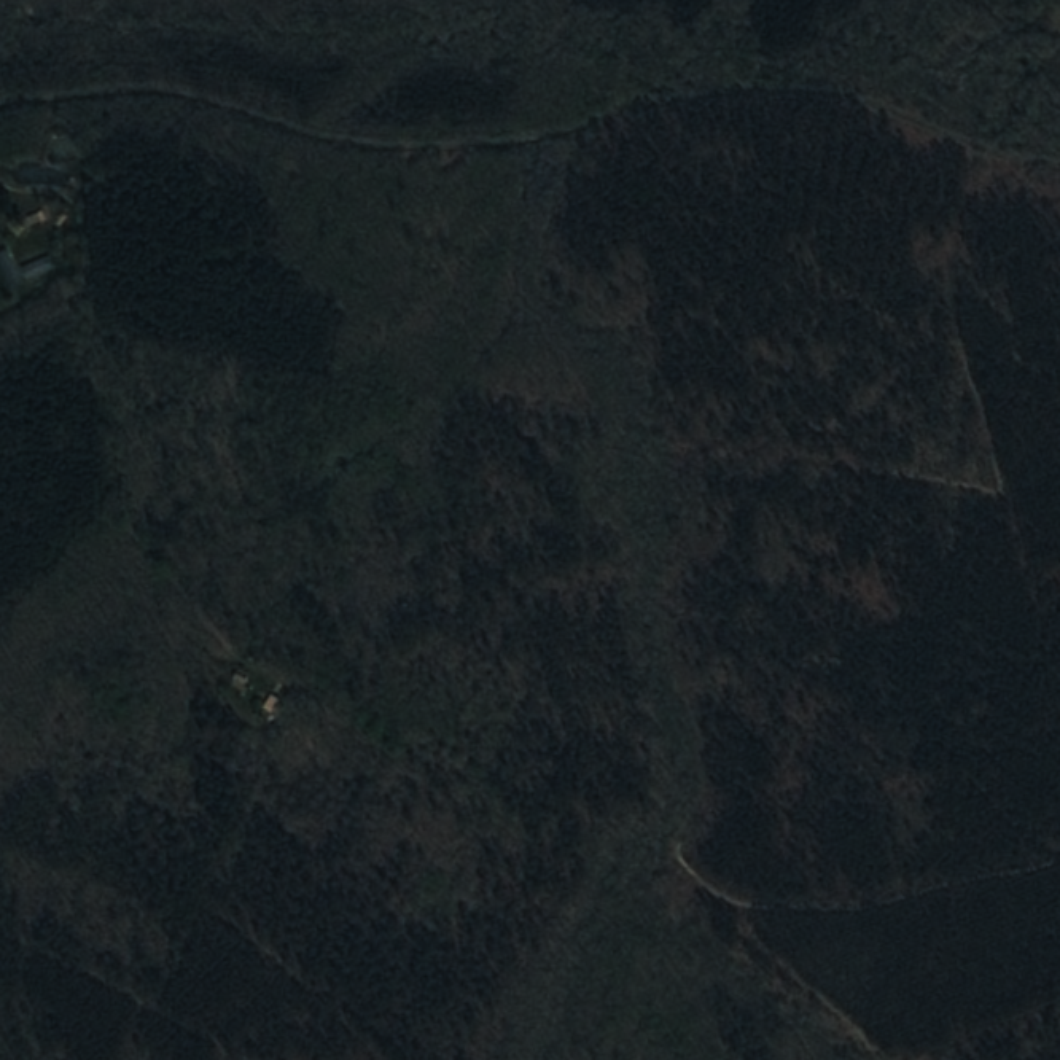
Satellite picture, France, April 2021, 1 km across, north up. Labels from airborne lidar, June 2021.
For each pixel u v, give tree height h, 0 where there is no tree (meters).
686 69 16
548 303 14
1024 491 12
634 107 9
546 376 13
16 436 21
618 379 17
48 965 17
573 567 24
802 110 16
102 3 20
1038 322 16
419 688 7
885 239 16
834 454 15
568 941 20
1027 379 15
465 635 22
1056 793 14
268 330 21
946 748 14
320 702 23
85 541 16
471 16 21
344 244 17
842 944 14
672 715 17
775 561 7
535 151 5
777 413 9
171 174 16
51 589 15
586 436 21
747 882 12
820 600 16
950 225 14
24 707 16
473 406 26
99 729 8
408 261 14
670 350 16
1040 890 16
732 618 11
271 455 20
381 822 8
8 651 15
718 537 14
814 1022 16
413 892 10
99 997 18
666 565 14
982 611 12
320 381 24
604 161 12
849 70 13
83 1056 15
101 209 19
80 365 17
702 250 16
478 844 8
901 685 13
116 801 14
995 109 22
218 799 13
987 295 12
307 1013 17
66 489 20
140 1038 9
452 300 10
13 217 10
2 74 18
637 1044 16
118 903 13
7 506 20
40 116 18
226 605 19
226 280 18
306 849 17
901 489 13
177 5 19
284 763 15
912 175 17
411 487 18
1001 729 15
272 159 16
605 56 14
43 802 23
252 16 15
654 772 17
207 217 18
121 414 16
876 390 10
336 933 20
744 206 15
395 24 18
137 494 16
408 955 19
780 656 11
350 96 19
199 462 20
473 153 18
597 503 16
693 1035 17
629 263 12
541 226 17
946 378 15
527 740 16
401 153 14
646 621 17
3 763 13
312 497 27
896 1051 14
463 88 20
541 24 17
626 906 19
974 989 14
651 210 18
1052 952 14
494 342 17
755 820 15
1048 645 13
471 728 8
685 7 13
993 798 15
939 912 14
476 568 24
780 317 17
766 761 15
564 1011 21
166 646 21
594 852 15
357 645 15
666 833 18
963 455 10
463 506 26
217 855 23
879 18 12
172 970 13
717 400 7
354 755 15
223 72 16
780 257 16
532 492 11
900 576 13
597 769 21
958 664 11
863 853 14
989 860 13
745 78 18
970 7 16
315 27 17
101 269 19
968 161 18
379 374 15
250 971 17
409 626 25
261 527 16
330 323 19
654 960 17
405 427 20
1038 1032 15
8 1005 12
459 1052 9
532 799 22
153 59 15
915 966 15
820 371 13
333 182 14
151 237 19
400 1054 21
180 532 24
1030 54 20
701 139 16
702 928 13
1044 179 10
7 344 14
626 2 12
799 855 13
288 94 17
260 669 18
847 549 15
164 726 9
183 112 16
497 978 17
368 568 12
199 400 20
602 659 18
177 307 17
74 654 16
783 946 18
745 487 17
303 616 20
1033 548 14
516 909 16
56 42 18
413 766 12
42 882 13
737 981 12
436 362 13
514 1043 24
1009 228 14
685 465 11
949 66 13
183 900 28
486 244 15
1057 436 14
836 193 16
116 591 16
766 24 14
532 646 16
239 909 20
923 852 14
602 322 11
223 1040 16
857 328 16
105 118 10
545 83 20
